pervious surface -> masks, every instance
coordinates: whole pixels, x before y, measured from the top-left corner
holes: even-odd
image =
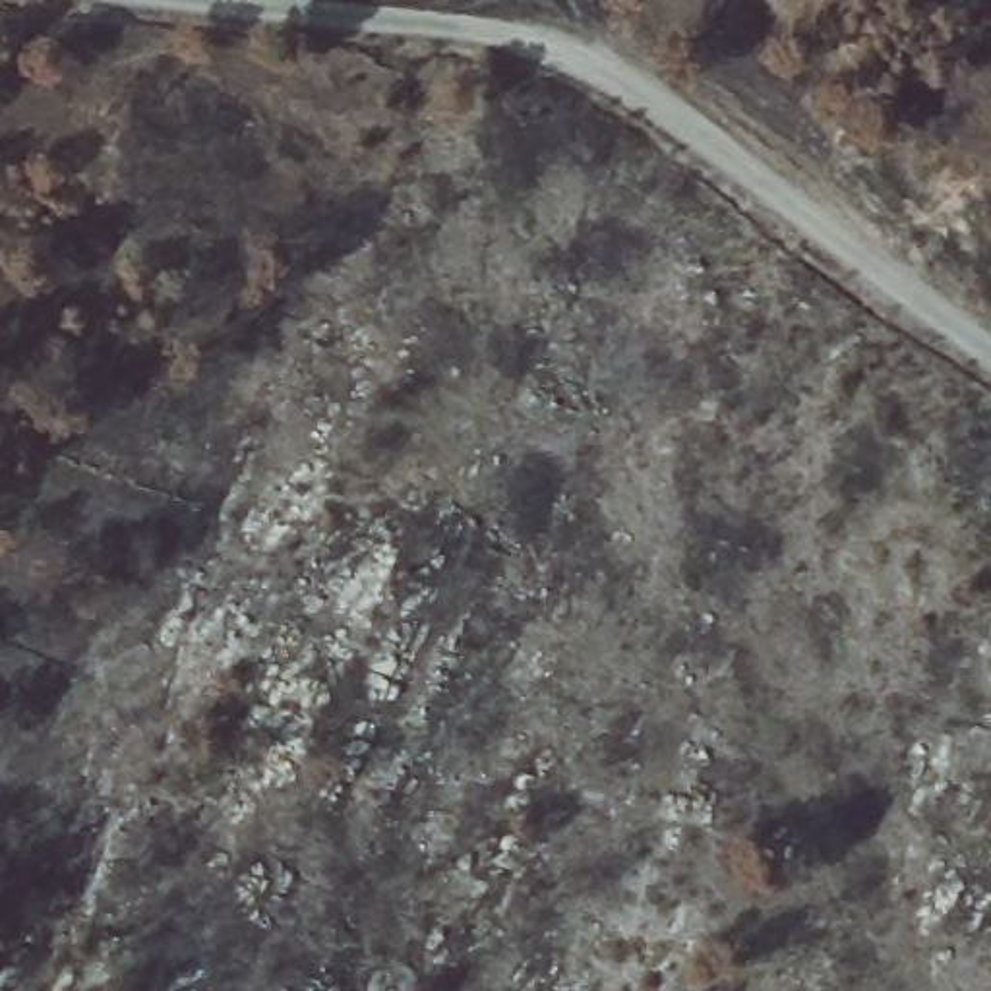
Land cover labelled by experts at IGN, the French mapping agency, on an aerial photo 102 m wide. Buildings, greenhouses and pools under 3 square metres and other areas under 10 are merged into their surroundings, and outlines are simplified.
[[[716,174],[736,178],[747,194],[763,201],[763,209],[797,225],[817,248],[825,248],[832,259],[859,275],[863,302],[902,306],[902,325],[941,333],[956,356],[976,360],[991,375],[991,333],[964,306],[941,298],[917,271],[906,271],[894,259],[898,236],[863,221],[852,205],[825,209],[809,201],[797,186],[778,178],[755,155],[747,155],[728,132],[720,132],[712,120],[705,120],[674,93],[650,74],[635,70],[600,43],[581,43],[542,23],[418,8],[375,8],[372,0],[101,0],[124,8],[197,15],[209,15],[213,4],[248,4],[259,8],[259,19],[283,23],[286,62],[298,54],[341,50],[345,39],[352,39],[360,27],[372,35],[453,39],[453,50],[461,54],[484,54],[488,46],[507,43],[538,46],[546,66],[608,97],[619,97],[623,108],[643,108],[650,124],[685,139]]]

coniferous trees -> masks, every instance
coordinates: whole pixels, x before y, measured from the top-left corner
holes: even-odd
[[[902,70],[917,70],[921,54],[941,54],[952,39],[952,23],[945,12],[910,12],[906,0],[766,0],[766,8],[774,12],[774,27],[759,54],[770,74],[797,77],[805,89],[844,85],[852,101],[879,108],[886,108]]]
[[[701,66],[689,54],[689,39],[697,35],[705,4],[716,0],[600,0],[608,8],[608,19],[627,19],[635,35],[650,43],[650,74],[674,93],[681,81],[701,77]]]

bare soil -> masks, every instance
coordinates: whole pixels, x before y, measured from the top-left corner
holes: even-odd
[[[991,991],[991,375],[976,360],[956,356],[941,333],[902,325],[902,306],[863,302],[859,275],[832,259],[825,248],[817,248],[797,225],[763,209],[763,201],[747,194],[736,178],[716,174],[685,139],[650,124],[643,108],[623,108],[619,97],[608,97],[546,66],[538,46],[507,43],[488,46],[484,54],[461,54],[453,50],[453,39],[372,35],[360,27],[352,39],[345,39],[341,50],[298,54],[286,62],[283,23],[259,19],[259,8],[248,4],[213,4],[209,15],[197,15],[124,8],[101,0],[0,0],[0,991]]]
[[[941,298],[964,306],[991,333],[991,0],[906,0],[910,12],[945,12],[952,23],[952,39],[941,54],[921,54],[917,70],[902,70],[886,108],[879,108],[852,101],[844,85],[805,89],[797,77],[770,74],[759,54],[774,27],[774,12],[766,8],[766,0],[716,0],[705,4],[697,35],[689,39],[689,54],[701,66],[701,77],[681,81],[674,93],[705,120],[712,120],[720,132],[728,132],[747,155],[755,155],[778,178],[797,186],[809,201],[825,209],[852,205],[863,221],[898,236],[894,259],[906,271],[917,271]]]
[[[627,19],[608,19],[608,8],[600,0],[372,0],[375,8],[418,8],[542,23],[581,43],[600,43],[635,70],[650,74],[650,43],[635,35]]]

